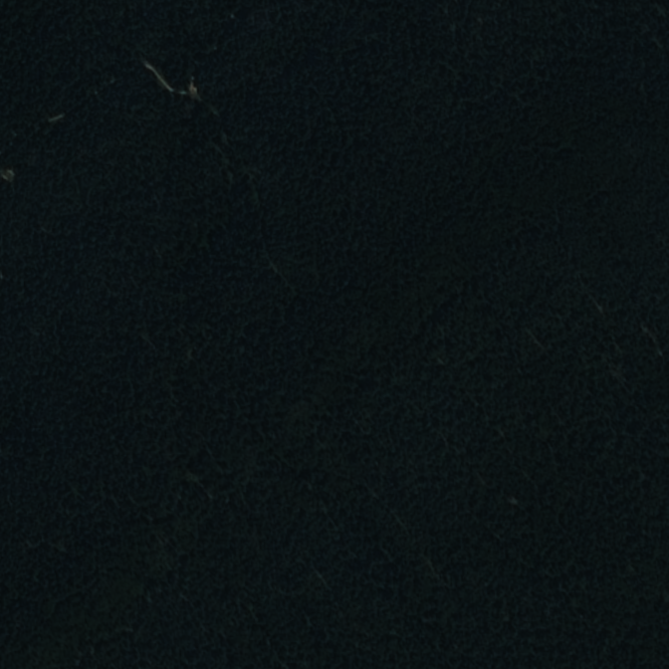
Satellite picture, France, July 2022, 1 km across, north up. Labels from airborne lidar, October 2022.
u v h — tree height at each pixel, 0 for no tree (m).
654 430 27
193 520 28
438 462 22
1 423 19
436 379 25
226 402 16
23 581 20
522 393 10
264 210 22
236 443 9
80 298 20
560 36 18
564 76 18
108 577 10
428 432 17
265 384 16
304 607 16
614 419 11
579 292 8
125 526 17
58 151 11
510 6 19
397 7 22
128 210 14
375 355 26
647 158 19
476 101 12
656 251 12
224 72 16
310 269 14
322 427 17
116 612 14
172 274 20
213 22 16
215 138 9
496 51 15
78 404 14
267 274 17
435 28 19
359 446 21
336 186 16
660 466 10
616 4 18
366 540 18
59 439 24
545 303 13
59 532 21
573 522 12
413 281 12
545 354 6
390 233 14
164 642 23
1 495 17
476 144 21
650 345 22
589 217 14
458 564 13
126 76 22
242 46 17
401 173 19
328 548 17
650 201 17
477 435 16
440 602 16
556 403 22
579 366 8
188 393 17
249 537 16
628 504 20
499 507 11
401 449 19
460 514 19
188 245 17
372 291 11
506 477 13
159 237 22
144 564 17
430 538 11
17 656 10
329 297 16
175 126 19
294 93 31
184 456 16
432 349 16
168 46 22
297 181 18
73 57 24
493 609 18
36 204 9
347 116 21
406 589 23
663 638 21
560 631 25
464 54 15
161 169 24
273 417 7
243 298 17
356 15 21
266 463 11
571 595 30
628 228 10
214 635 9
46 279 13
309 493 23
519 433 14
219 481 7
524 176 9
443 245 13
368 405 17
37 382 15
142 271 19
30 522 18
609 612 15
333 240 15
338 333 10
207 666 22
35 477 17
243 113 18
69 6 25
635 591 18
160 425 20
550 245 17
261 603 10
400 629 10
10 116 20
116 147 19
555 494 8
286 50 32
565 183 15
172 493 7
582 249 14
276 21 28
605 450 13
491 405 8
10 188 20
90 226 22
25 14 22
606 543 16
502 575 20
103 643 23
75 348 21
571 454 10
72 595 8
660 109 11
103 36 32
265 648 18
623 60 26
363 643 6
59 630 8
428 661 18
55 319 10
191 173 23
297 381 16
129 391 26
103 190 8
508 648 21
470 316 15
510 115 15
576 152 11
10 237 15
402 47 19
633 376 19
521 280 18
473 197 15
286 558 16
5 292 15
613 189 15
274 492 9
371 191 15
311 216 10
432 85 14
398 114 15
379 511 17
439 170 25
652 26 27
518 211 10
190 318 26
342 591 21
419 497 17
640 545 16
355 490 11
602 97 19
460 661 12
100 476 19
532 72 20
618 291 9
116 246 22
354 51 25
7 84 15
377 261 13
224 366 14
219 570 22
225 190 29
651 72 21
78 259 19
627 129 17
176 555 17
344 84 26
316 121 19
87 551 19
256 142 20
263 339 15
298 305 17
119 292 24
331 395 13
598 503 18
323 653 13
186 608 15
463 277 12
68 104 13
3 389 14
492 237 11
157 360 28
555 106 11
